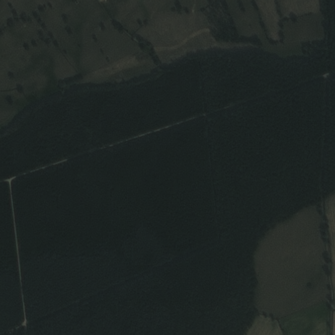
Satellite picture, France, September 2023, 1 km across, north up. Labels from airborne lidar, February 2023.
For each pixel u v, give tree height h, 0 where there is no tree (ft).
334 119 80
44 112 42
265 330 0
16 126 47
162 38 0
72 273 40
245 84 78
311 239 0
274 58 60
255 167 75
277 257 0
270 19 0
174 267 64
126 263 34
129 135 31
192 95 34
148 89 41
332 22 67
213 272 68
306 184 66
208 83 69
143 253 43
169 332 68
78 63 0
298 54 0
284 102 73
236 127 83
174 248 28
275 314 0
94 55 0
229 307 75
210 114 41
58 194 28
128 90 36
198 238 31
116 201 25
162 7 0
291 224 0
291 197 52
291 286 0
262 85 57
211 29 51
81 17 0
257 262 0
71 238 24
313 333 0
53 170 33
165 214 21
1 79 0
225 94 86
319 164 62
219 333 66
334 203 0
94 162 37
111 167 42
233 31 33
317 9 0
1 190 33
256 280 32
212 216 25
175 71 32
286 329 0
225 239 66
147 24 41
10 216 19
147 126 32
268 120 87
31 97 0
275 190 70
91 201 35
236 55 76
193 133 47
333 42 65
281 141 73
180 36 0
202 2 0
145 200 32
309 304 0
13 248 25
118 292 66
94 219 37
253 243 66
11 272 23
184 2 0
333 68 63
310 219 0
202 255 64
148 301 70
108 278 43
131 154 44
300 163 62
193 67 46
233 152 78
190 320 60
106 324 61
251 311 81
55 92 0
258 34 0
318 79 48
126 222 24
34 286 48
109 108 31
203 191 42
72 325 57
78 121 21
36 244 26
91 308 52
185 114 33
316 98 74
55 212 32
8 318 40
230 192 69
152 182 40
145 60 0
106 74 0
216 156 67
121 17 0
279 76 82
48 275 41
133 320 66
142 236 46
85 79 0
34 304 39
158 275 64
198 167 37
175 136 32
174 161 41
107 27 0
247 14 0
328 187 71
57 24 0
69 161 29
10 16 0
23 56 0
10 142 37
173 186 36
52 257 36
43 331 58
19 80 0
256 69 71
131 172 34
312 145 63
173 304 70
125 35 0
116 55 0
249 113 81
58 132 27
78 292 45
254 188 68
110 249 48
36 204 32
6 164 33
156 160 42
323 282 0
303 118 70
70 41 0
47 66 0
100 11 0
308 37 0
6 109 0
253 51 74
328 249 0
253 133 84
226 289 64
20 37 0
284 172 70
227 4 55
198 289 67
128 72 0
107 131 36
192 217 29
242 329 74
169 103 36
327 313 0
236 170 66
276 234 0
